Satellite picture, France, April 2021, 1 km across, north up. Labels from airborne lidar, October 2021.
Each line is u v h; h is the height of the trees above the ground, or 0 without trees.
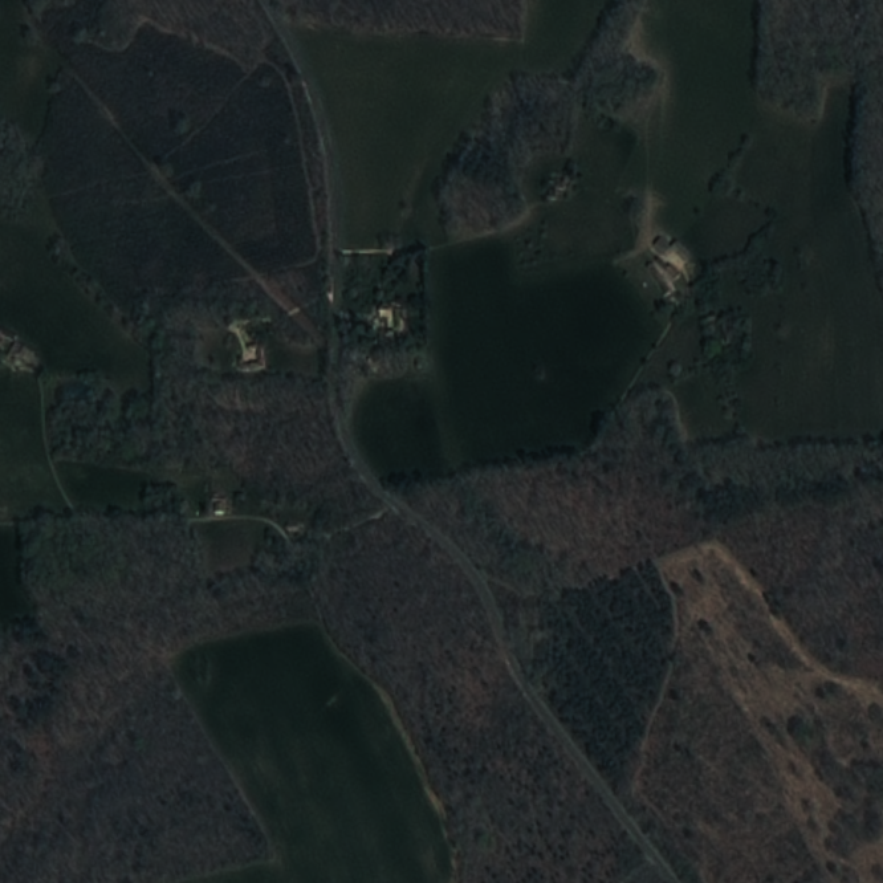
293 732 0
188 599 23
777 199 0
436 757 9
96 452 18
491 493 20
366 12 15
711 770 0
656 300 0
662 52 0
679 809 0
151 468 13
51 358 0
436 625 9
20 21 0
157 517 22
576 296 0
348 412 21
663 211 0
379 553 14
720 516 25
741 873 0
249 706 0
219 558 0
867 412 0
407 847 0
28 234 0
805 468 22
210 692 0
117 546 20
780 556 14
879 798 23
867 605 10
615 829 14
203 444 16
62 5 15
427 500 21
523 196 13
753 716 0
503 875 9
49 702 11
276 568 17
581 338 0
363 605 11
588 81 22
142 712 17
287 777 0
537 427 0
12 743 18
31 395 0
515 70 0
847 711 0
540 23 0
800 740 23
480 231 17
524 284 0
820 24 24
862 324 0
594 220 0
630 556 7
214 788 12
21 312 0
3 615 0
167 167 18
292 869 0
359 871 0
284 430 8
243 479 9
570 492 14
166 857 12
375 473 0
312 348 12
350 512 10
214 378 20
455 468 0
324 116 0
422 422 0
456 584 8
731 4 0
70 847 21
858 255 0
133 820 14
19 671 14
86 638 19
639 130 0
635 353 0
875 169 24
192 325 24
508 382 0
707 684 0
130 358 0
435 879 0
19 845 12
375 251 0
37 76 0
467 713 6
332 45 0
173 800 16
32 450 0
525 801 7
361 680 0
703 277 8
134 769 14
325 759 0
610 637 10
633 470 7
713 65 0
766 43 19
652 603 12
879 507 17
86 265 6
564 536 19
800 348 0
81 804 9
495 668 10
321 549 20
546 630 15
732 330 11
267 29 16
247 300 10
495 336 0
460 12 15
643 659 9
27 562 10
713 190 12
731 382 6
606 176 0
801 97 22
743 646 14
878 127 22
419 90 0
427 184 0
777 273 15
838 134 0
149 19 10
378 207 0
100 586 26
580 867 6
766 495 27
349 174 0
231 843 15
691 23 0
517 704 7
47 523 23
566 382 0
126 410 11
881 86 20
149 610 16
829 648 9
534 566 24
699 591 0
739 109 0
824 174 0
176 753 12
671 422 18
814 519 11
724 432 0
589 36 0
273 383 18
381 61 0
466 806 9
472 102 0
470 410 0
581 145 0
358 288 8
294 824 0
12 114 0
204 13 13
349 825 0
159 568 22
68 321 0
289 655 0
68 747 14
